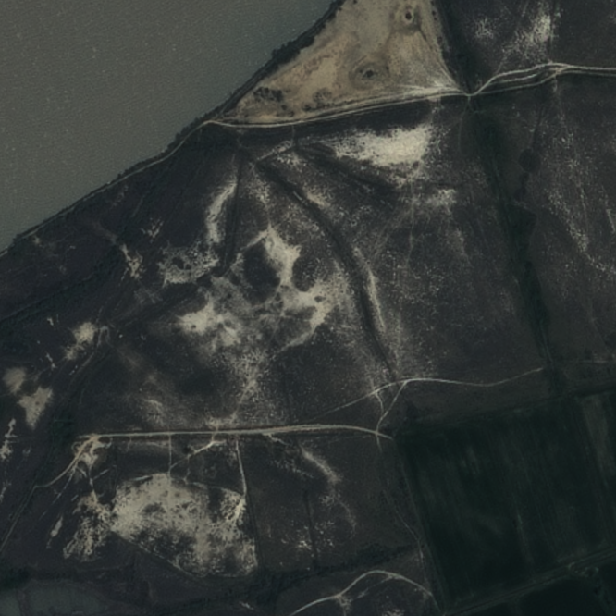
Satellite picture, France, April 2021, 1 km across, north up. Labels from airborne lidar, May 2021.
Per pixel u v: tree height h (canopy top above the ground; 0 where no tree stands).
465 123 0
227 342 0
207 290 0
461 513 0
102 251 0
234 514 0
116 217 0
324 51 0
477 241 0
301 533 0
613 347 0
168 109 0
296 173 0
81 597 0
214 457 0
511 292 0
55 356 0
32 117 0
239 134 0
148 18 0
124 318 0
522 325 0
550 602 0
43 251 0
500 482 0
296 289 0
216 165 0
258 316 0
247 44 0
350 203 0
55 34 0
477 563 0
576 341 0
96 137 0
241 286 0
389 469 0
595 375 0
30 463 0
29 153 0
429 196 0
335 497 0
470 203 0
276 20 0
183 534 0
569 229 0
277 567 0
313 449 0
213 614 0
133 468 0
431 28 0
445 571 0
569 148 0
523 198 0
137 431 0
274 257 0
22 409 0
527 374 0
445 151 0
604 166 0
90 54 0
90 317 0
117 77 0
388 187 0
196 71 0
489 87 0
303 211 0
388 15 0
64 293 6
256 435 0
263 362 0
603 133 0
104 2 0
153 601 0
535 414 0
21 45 0
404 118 0
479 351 0
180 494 0
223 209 0
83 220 0
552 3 0
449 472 0
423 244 0
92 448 0
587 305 0
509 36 0
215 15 0
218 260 0
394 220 0
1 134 0
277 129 0
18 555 0
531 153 0
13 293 0
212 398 0
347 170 0
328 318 0
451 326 0
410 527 0
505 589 0
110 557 0
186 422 0
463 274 0
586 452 0
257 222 0
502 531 0
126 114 0
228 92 0
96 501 0
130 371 0
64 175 0
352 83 0
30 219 0
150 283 0
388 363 0
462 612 0
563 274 0
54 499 0
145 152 0
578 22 0
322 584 0
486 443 0
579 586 0
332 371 0
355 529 0
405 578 0
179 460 0
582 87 0
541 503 0
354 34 0
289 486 0
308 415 0
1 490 0
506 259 0
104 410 0
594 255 0
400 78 0
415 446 0
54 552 0
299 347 0
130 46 0
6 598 0
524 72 0
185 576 0
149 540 0
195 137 0
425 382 0
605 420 0
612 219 0
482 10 0
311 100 0
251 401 0
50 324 0
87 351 0
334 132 0
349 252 0
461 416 0
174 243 0
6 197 0
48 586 0
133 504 0
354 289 0
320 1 0
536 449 0
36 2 0
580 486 0
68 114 0
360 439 0
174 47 0
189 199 0
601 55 0
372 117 0
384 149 0
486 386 0
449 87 0
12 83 0
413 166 0
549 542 0
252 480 0
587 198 0
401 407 0
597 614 0
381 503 0
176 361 0
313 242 0
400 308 0
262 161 0
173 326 0
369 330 0
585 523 0
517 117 0
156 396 0
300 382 0
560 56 0
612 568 0
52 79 0
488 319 0
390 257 0
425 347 0
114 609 0
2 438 0
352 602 0
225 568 0
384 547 0
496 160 0
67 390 0
